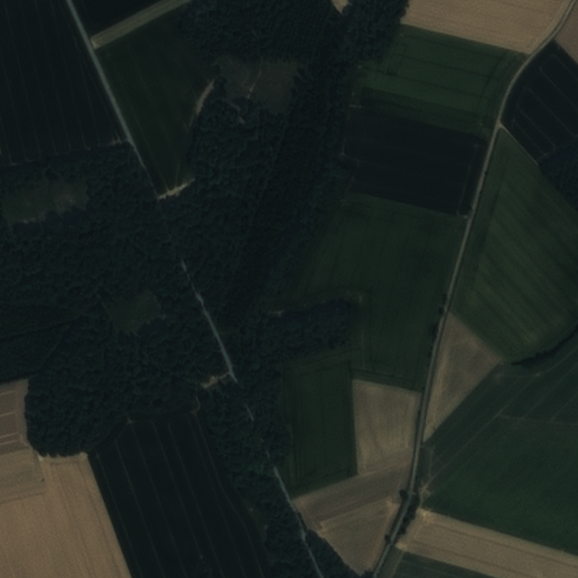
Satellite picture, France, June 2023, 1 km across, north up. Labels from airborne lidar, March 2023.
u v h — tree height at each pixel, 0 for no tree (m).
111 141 0
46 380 24
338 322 28
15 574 0
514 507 0
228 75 0
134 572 0
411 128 0
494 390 0
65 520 0
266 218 9
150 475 0
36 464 0
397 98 0
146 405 21
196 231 28
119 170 25
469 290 0
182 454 0
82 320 20
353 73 0
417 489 0
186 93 0
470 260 0
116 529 0
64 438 22
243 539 0
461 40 0
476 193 0
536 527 0
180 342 29
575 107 0
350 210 0
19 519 0
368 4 27
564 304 0
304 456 0
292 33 25
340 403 0
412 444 0
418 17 0
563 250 0
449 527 0
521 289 0
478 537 0
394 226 0
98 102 0
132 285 23
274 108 0
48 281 26
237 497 0
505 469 0
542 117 0
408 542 0
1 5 0
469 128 0
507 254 0
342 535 0
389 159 0
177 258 26
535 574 0
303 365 0
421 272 0
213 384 0
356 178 0
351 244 0
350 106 0
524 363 11
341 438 0
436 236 0
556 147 0
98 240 27
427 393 0
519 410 0
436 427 0
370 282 0
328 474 0
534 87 0
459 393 0
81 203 0
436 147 0
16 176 21
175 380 32
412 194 0
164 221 25
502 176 0
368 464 0
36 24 0
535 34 0
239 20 20
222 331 0
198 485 0
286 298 0
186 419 0
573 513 0
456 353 0
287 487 0
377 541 0
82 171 23
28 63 0
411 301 0
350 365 0
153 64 0
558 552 0
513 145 0
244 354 6
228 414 19
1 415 0
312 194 31
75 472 0
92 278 25
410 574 0
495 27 0
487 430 0
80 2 0
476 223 0
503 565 0
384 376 0
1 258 23
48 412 24
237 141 26
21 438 0
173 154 0
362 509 0
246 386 21
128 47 0
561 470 0
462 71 0
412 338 0
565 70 0
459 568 0
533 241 0
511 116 0
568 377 0
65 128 0
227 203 24
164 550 0
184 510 0
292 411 0
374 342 0
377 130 0
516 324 0
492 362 0
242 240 14
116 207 27
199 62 0
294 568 26
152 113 0
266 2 25
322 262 0
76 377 26
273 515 14
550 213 0
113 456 0
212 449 0
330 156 22
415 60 0
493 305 0
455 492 0
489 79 0
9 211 0
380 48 23
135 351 26
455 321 0
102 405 25
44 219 0
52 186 0
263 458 11
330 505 0
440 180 0
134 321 0
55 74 0
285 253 27
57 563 0
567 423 0
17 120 0
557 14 0
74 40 0
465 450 0
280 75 0
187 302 26
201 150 22
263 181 22
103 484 0
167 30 0
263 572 0
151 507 0
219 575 0
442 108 0
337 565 23
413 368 0
